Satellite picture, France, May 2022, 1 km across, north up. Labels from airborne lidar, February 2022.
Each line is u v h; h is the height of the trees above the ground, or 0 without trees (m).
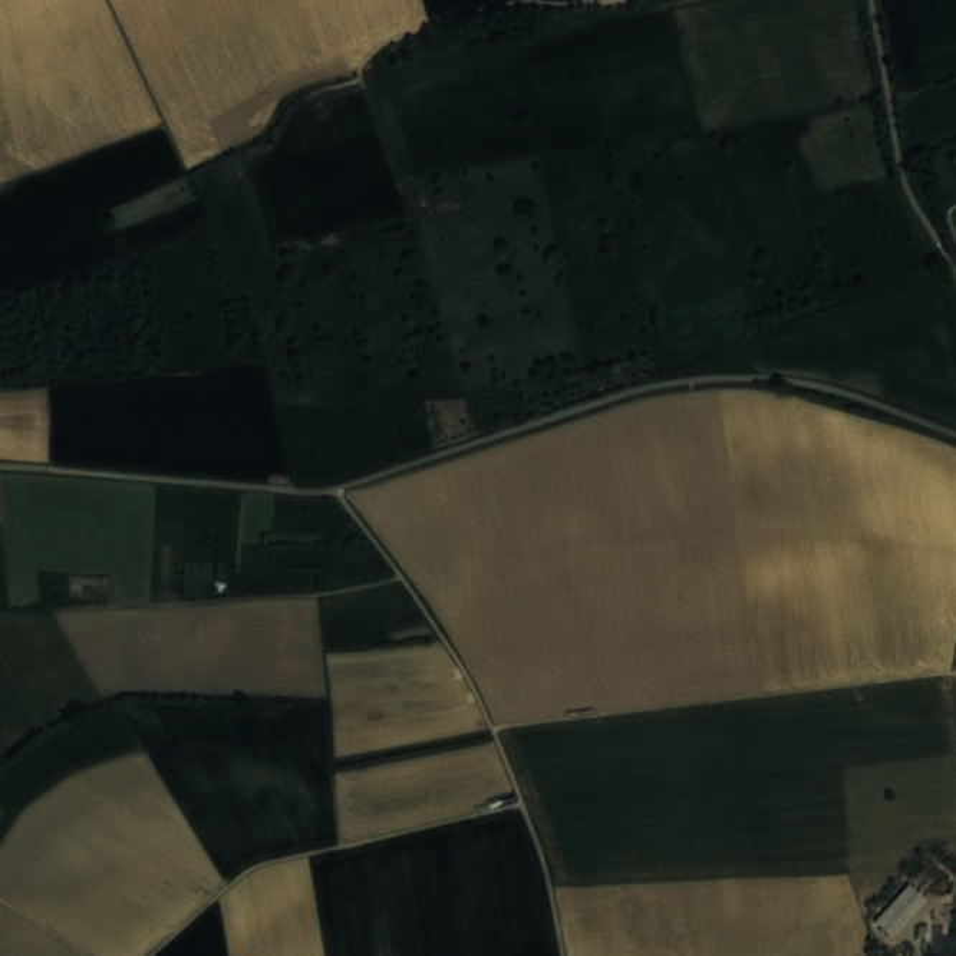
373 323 0
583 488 0
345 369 0
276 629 0
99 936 0
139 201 0
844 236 0
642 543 0
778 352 0
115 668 0
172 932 0
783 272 0
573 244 0
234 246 0
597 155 0
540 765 0
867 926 0
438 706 0
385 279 0
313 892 0
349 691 0
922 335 0
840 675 0
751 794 0
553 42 0
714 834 0
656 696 0
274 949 0
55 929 0
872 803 0
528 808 0
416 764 0
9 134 0
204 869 0
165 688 0
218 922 0
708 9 0
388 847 0
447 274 0
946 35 0
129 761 0
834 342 0
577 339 0
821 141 0
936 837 0
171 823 0
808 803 0
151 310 11
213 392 0
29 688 0
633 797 0
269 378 0
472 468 0
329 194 0
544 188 0
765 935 0
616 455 0
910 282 0
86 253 0
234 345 12
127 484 0
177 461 0
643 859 0
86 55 0
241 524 0
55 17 0
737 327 0
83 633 0
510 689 0
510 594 0
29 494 0
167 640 0
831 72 0
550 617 0
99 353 11
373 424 0
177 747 0
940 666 0
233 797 0
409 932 0
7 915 0
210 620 0
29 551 0
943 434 0
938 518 0
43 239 0
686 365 0
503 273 14
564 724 0
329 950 0
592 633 0
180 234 0
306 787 0
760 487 0
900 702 0
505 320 0
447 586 0
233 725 0
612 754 0
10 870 0
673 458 0
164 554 0
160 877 0
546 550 0
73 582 0
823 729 0
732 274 0
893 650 0
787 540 0
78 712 20
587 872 0
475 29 17
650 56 0
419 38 8
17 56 0
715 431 0
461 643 0
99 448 0
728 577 0
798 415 0
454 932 0
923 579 0
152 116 0
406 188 0
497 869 0
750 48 0
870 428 0
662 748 0
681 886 0
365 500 0
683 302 0
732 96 0
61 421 0
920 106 0
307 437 0
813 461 0
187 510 0
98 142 0
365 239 0
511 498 0
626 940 0
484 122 0
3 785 0
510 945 0
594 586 0
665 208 0
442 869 0
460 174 6
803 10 0
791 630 0
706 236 0
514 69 0
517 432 0
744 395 0
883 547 0
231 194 0
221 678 0
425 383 0
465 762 0
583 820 0
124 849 0
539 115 0
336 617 0
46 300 11
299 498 0
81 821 0
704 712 0
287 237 0
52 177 0
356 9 0
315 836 0
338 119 0
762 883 0
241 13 0
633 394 0
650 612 0
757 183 0
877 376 0
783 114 0
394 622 0
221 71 0
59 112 0
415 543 0
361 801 0
